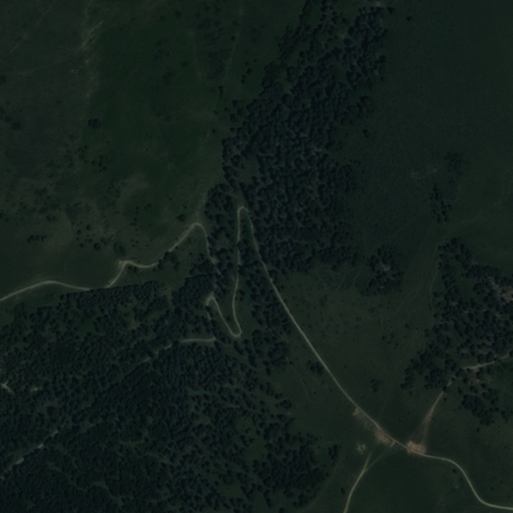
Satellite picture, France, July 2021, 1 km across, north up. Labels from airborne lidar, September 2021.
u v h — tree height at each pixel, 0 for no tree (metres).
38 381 15
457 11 0
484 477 0
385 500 0
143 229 0
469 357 15
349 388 0
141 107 0
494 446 0
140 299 23
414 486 0
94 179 0
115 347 19
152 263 0
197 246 0
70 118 0
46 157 0
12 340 24
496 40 0
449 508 0
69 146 0
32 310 0
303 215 24
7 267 0
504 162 0
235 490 0
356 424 0
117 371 7
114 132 0
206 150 0
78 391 6
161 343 8
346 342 0
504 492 0
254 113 28
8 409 11
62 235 0
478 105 0
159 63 0
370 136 18
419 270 0
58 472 12
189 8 0
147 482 17
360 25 23
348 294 0
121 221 0
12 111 0
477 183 0
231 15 0
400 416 0
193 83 0
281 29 0
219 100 0
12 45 0
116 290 22
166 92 0
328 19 24
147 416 9
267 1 0
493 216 0
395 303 0
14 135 0
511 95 0
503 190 0
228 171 27
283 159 28
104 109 0
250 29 0
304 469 17
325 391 0
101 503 16
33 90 0
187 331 22
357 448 0
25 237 0
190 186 0
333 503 0
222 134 0
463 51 0
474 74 0
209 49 0
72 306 21
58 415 25
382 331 0
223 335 23
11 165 0
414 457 0
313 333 0
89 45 0
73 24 0
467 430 0
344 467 0
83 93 0
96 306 26
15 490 14
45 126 0
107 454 16
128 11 0
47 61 0
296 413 0
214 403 8
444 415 0
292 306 0
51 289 0
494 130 0
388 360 0
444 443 0
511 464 0
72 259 0
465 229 0
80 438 14
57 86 0
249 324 0
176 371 24
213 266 24
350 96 33
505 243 0
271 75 17
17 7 0
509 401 0
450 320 27
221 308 0
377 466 0
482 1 0
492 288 22
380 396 0
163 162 0
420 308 0
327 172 20
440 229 0
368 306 0
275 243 30
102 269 0
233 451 6
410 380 16
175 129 0
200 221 0
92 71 0
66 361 14
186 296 18
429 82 0
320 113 30
